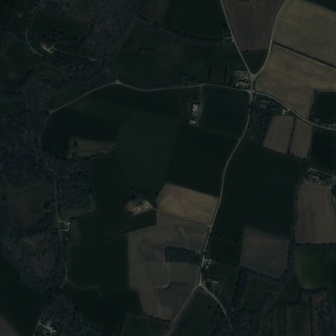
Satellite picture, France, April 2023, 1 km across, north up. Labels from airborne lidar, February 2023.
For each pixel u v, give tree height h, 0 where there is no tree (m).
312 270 0
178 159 0
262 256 0
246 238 0
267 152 0
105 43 13
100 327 0
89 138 0
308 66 0
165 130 0
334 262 0
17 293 0
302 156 0
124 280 0
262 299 0
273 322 14
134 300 0
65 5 10
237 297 19
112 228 0
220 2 0
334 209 0
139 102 0
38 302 0
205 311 0
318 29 0
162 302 0
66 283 8
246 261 0
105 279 0
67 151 0
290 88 0
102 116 0
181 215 0
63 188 16
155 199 0
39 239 10
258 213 0
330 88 0
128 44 0
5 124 15
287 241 0
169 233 0
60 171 16
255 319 22
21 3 0
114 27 9
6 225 14
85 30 0
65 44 0
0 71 0
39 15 0
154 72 0
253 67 0
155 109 0
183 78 7
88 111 0
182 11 0
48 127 0
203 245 0
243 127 0
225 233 0
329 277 0
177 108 0
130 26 11
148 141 0
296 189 0
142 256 0
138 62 0
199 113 0
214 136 0
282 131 0
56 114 0
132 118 0
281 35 0
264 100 0
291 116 0
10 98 12
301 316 0
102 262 0
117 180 0
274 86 0
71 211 0
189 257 14
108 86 0
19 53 0
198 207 0
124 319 8
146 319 0
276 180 0
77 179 18
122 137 0
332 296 0
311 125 0
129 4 12
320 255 0
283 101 0
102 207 0
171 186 0
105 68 21
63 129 0
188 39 10
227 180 0
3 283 0
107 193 0
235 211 0
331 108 0
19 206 0
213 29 0
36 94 13
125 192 0
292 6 0
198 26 0
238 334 22
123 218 0
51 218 9
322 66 0
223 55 0
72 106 0
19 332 0
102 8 12
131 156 0
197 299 0
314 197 0
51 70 0
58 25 0
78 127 0
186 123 0
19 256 10
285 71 0
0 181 27
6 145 14
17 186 19
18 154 19
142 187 0
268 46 0
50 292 0
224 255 0
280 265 0
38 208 0
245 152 0
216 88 0
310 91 0
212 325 0
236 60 0
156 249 0
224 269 0
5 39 0
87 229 0
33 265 14
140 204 0
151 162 0
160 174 0
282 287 12
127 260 0
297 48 0
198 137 0
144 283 0
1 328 0
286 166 0
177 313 0
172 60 0
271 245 0
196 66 0
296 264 0
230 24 0
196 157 0
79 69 8
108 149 0
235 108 0
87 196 11
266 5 0
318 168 0
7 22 6
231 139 0
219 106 0
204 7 0
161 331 0
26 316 0
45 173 14
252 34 0
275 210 0
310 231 0
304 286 0
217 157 0
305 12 0
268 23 0
